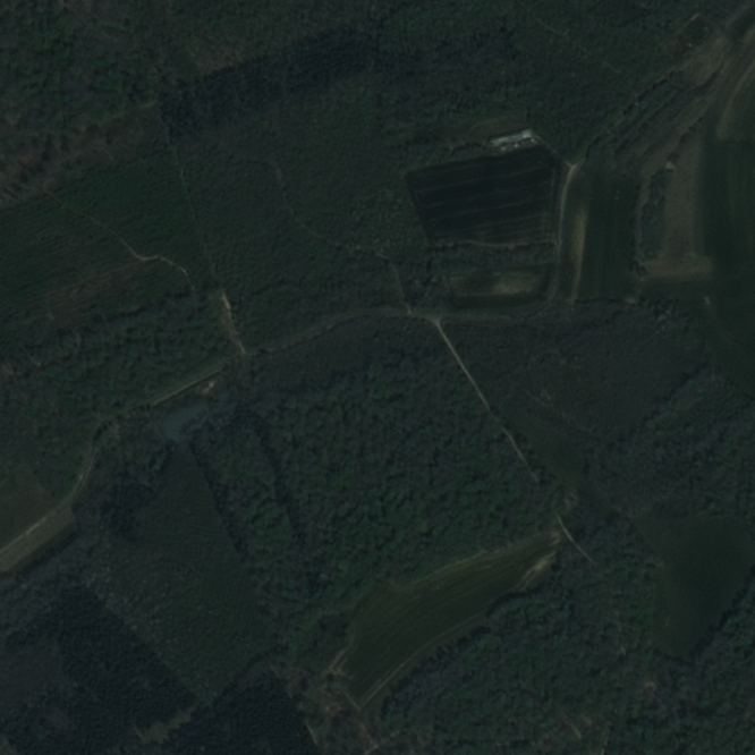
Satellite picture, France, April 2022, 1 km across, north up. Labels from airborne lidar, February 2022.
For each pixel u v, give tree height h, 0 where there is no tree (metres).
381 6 15
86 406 24
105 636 28
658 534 0
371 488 17
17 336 7
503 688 25
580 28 17
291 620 15
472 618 0
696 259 0
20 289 6
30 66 18
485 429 22
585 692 20
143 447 20
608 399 6
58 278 6
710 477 20
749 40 0
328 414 19
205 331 22
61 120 25
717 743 23
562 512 18
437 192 0
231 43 17
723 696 26
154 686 20
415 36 28
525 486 24
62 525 0
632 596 21
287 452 23
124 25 27
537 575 0
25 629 19
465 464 20
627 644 22
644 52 15
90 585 19
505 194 0
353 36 21
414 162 16
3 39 26
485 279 0
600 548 20
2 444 24
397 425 24
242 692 25
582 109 16
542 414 6
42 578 26
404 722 20
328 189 15
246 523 24
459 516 21
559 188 9
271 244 9
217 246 14
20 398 31
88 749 23
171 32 14
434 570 18
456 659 24
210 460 21
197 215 10
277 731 23
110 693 27
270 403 25
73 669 21
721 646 25
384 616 0
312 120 15
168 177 8
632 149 18
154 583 15
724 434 22
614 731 15
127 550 14
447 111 17
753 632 22
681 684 26
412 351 11
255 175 13
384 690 0
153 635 15
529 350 8
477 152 15
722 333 0
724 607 0
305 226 10
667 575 0
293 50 16
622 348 7
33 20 19
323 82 22
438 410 22
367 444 25
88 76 26
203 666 12
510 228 0
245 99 20
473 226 0
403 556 25
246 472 20
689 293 0
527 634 27
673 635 0
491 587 0
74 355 22
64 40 22
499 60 21
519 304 0
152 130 0
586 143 15
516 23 19
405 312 0
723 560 0
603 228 0
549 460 0
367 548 21
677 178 0
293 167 16
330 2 16
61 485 18
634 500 23
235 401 14
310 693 27
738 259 0
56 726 23
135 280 6
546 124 19
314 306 18
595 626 28
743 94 0
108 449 16
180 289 6
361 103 16
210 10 15
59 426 19
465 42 30
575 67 16
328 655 8
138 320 18
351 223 11
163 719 26
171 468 27
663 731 25
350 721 23
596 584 22
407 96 19
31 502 0
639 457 27
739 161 0
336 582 20
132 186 10
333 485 23
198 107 21
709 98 0
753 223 0
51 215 6
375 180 14
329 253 15
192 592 12
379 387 23
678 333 14
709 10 20
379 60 19
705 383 20
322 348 10
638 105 17
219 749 20
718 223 0
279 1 16
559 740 24
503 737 23
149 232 7
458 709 25
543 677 24
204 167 15
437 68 22
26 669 16
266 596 24
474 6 26
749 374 0
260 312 10
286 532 21
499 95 16
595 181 0
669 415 18
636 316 16
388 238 12
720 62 0
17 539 0
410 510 18
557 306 10
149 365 25
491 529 21
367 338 12
